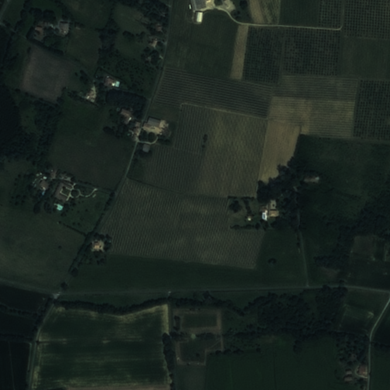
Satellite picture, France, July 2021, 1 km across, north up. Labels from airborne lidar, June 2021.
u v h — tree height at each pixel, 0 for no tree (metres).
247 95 0
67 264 0
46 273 0
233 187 0
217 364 0
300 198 14
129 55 0
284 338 0
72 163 0
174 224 0
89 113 0
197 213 0
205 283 0
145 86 0
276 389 0
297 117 0
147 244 0
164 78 0
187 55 0
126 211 0
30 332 0
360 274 0
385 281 0
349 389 0
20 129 13
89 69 0
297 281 0
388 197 7
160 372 0
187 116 0
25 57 0
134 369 0
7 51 8
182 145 0
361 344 17
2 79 12
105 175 0
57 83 0
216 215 0
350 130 0
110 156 0
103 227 0
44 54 0
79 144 0
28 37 15
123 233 0
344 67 0
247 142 0
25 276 0
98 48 0
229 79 0
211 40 0
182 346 0
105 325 0
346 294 27
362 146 0
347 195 6
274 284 0
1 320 0
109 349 0
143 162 0
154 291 0
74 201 7
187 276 0
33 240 0
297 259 0
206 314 0
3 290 0
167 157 0
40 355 0
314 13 0
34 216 0
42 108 12
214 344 0
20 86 0
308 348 0
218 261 0
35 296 0
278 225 15
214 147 0
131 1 13
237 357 0
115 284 0
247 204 18
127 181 0
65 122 0
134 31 0
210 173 0
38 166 13
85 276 0
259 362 0
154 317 0
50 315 0
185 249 0
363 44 0
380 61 0
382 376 0
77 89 0
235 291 0
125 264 0
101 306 10
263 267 0
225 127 0
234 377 0
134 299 0
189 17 0
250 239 0
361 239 0
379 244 0
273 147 0
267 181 0
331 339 0
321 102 0
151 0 17
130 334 0
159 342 0
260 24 0
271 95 0
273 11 0
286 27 0
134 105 12
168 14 9
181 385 0
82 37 0
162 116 0
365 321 0
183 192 0
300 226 8
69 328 0
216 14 0
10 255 0
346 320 0
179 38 0
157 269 0
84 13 0
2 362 0
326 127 0
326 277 0
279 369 0
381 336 0
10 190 0
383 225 18
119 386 0
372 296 0
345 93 0
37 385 0
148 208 0
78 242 0
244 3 16
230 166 0
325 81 0
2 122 16
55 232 0
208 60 0
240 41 0
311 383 0
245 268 0
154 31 7
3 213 0
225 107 0
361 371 0
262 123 0
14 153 19
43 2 0
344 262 13
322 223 8
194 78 0
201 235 0
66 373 0
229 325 0
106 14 0
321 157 0
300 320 12
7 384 0
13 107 16
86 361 0
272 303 12
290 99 0
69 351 0
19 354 0
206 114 0
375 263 0
